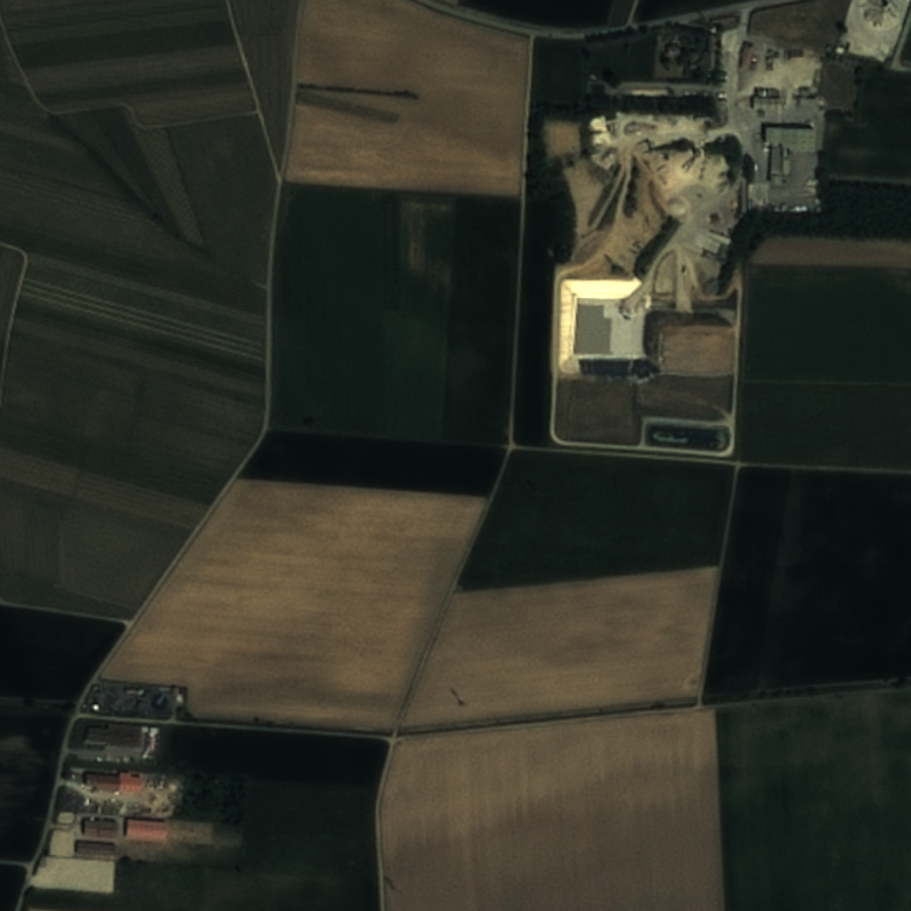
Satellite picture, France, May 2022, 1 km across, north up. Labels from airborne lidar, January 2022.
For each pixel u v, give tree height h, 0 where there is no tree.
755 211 11
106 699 0
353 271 0
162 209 0
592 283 0
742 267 0
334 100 0
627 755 0
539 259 0
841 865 0
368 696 0
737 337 0
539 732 0
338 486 0
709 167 0
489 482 0
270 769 0
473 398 0
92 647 0
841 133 0
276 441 0
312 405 0
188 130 0
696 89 0
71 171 0
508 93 0
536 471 0
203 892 0
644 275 0
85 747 0
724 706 0
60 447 0
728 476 0
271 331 0
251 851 0
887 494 0
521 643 0
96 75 0
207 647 0
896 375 0
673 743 0
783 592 0
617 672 0
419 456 0
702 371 0
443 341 0
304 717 0
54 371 0
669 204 0
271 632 0
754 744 0
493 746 0
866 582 0
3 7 0
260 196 0
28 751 0
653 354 0
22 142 0
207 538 0
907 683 6
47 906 0
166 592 0
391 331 0
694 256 0
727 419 0
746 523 0
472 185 0
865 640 0
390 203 0
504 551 0
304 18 0
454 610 0
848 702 0
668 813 0
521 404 0
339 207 0
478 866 0
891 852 0
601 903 0
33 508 0
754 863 0
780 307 0
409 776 0
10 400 0
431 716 0
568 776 0
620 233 0
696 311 0
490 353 0
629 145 0
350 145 0
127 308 0
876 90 0
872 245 0
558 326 0
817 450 0
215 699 0
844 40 0
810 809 0
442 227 0
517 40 0
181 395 0
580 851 0
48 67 0
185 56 0
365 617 0
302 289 0
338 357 0
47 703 0
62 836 0
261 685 0
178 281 0
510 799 0
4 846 0
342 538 0
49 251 0
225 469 0
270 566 0
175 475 0
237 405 0
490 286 0
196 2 0
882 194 16
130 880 0
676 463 0
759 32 0
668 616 0
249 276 0
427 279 0
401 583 0
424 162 0
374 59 0
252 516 0
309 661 0
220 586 0
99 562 0
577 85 0
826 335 0
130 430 0
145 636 0
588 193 0
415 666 0
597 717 0
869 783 0
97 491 0
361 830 0
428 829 0
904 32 0
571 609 0
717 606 0
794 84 0
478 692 0
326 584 0
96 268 0
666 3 0
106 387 0
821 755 0
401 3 0
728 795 0
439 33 0
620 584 0
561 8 0
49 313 0
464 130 0
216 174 0
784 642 0
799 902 0
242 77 0
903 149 0
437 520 0
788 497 0
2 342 0
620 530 0
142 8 0
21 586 0
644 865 0
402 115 0
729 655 0
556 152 0
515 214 0
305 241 0
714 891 0
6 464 0
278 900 0
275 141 0
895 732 0
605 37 11
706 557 0
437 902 0
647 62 0
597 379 0
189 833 0
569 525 0
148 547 0
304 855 0
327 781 0
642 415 0
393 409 0
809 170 0
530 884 0
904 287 0
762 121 0
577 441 0
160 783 0
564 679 0
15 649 0
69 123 0
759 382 0
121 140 0
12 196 0
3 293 0
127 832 0
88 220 0
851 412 0
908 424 0
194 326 0
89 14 0
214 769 0
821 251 0
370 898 0
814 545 0
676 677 0
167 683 0
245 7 0
